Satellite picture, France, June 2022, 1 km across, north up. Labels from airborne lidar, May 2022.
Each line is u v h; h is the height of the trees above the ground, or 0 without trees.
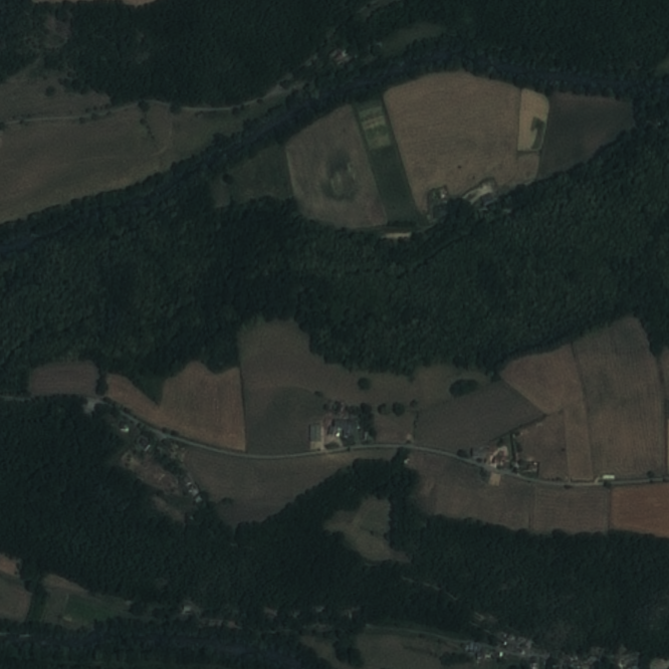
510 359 20
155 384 0
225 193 0
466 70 17
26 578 16
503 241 14
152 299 17
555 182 20
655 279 20
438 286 14
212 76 8
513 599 14
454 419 0
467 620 20
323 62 6
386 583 20
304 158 0
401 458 15
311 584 15
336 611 17
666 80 15
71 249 20
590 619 14
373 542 0
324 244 19
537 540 13
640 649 18
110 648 13
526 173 0
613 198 24
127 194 14
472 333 15
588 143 0
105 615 0
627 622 17
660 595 9
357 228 0
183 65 18
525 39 19
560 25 22
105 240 26
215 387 0
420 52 18
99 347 16
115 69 12
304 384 0
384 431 0
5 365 11
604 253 12
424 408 0
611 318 18
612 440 0
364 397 0
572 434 0
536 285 17
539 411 0
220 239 20
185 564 14
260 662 22
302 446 0
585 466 0
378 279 16
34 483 19
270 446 0
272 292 17
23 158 0
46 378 0
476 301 17
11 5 13
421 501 0
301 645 12
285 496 0
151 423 0
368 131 0
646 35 14
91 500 19
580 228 19
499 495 0
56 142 0
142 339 18
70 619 0
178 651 17
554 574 15
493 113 0
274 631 17
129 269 15
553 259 10
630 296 13
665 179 15
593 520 0
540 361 0
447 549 13
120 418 12
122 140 0
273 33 14
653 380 0
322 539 18
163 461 8
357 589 12
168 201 22
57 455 26
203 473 0
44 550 19
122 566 14
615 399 0
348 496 20
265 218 22
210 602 9
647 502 0
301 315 14
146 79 18
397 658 0
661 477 0
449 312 11
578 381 0
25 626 15
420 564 14
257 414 0
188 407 0
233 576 14
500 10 21
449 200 0
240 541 18
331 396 0
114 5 12
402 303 15
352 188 0
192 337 15
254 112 0
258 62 15
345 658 18
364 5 12
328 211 0
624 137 19
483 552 18
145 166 0
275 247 21
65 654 18
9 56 11
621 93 14
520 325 14
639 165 16
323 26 13
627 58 16
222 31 16
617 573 12
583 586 12
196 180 22
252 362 0
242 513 0
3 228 13
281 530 17
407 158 0
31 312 15
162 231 19
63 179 0
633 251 14
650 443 0
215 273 20
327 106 24
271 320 12
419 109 0
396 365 16
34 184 0
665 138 20
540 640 9
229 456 0
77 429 21
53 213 17
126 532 16
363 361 17
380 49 14
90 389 0
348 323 12
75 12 15
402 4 9
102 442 17
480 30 9
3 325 13
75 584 22
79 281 17
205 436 0
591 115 0
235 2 15
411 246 16
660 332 16
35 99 0
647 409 0
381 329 18
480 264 14
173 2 16
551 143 0
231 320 16
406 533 10
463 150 0
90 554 14
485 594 14
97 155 0
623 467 0
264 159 0
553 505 0
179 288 15
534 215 18
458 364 15
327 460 0
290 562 25
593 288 17
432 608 22
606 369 0
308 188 0
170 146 0
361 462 12
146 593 13
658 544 8
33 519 17
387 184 0
